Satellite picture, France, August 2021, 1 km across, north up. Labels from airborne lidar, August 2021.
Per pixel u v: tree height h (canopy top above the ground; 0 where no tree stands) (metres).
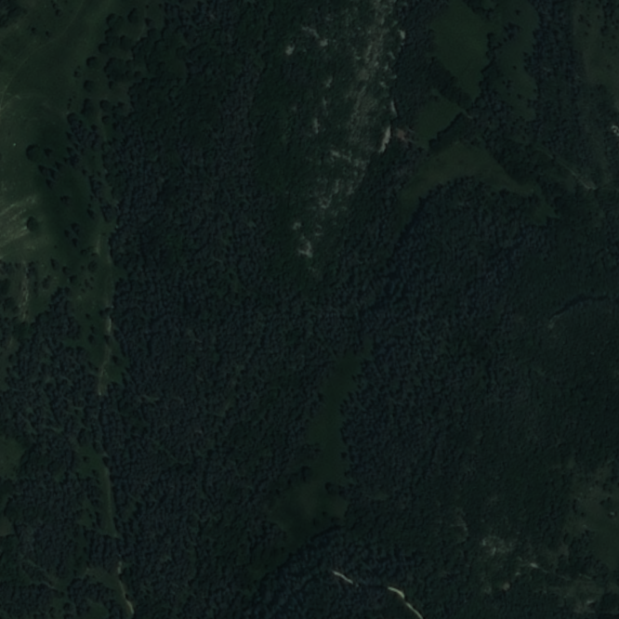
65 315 15
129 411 19
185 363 19
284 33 12
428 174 0
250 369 25
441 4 20
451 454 14
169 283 22
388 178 26
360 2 6
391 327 20
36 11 0
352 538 20
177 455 25
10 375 15
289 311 9
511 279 17
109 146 14
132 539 25
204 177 16
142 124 16
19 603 11
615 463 10
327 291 26
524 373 18
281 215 16
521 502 14
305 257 11
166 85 9
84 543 0
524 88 0
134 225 24
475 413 20
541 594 11
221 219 22
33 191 0
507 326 16
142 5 0
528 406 10
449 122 0
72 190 0
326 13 8
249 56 17
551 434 11
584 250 20
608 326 12
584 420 21
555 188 15
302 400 20
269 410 16
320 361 20
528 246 27
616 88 0
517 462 10
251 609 22
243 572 24
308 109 6
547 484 15
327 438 0
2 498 14
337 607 19
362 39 7
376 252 23
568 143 16
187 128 13
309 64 17
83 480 17
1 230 0
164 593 22
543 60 19
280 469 19
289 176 17
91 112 13
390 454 16
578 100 12
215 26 10
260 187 18
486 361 21
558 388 23
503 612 16
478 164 0
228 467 27
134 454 28
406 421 22
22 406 22
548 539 10
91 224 0
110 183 13
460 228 18
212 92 16
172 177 15
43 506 23
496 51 22
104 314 17
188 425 24
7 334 16
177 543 25
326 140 10
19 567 20
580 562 12
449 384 20
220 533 15
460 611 9
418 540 23
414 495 13
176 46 16
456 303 7
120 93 0
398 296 23
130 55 0
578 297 14
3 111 0
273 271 17
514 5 0
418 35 22
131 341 24
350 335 19
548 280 17
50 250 0
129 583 16
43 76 0
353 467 10
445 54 0
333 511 0
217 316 15
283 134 8
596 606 18
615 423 23
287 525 0
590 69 0
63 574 13
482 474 16
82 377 20
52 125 0
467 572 19
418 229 24
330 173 7
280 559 0
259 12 15
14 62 0
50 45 0
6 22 7
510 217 15
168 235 17
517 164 14
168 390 22
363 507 8
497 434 16
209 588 15
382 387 8
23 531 29
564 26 7
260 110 10
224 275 15
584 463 10
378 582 25
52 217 0
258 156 13
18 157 0
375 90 7
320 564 6
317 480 0
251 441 8
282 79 18
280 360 20
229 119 26
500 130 10
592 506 0
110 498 0
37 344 23
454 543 15
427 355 20
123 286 15
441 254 14
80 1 0
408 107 21
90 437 20
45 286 8
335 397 0
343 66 7
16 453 0
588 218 11
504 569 11
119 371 0
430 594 25
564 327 9
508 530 8
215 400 25
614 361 8
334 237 6
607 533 0
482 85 15
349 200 8
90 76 0
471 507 11
